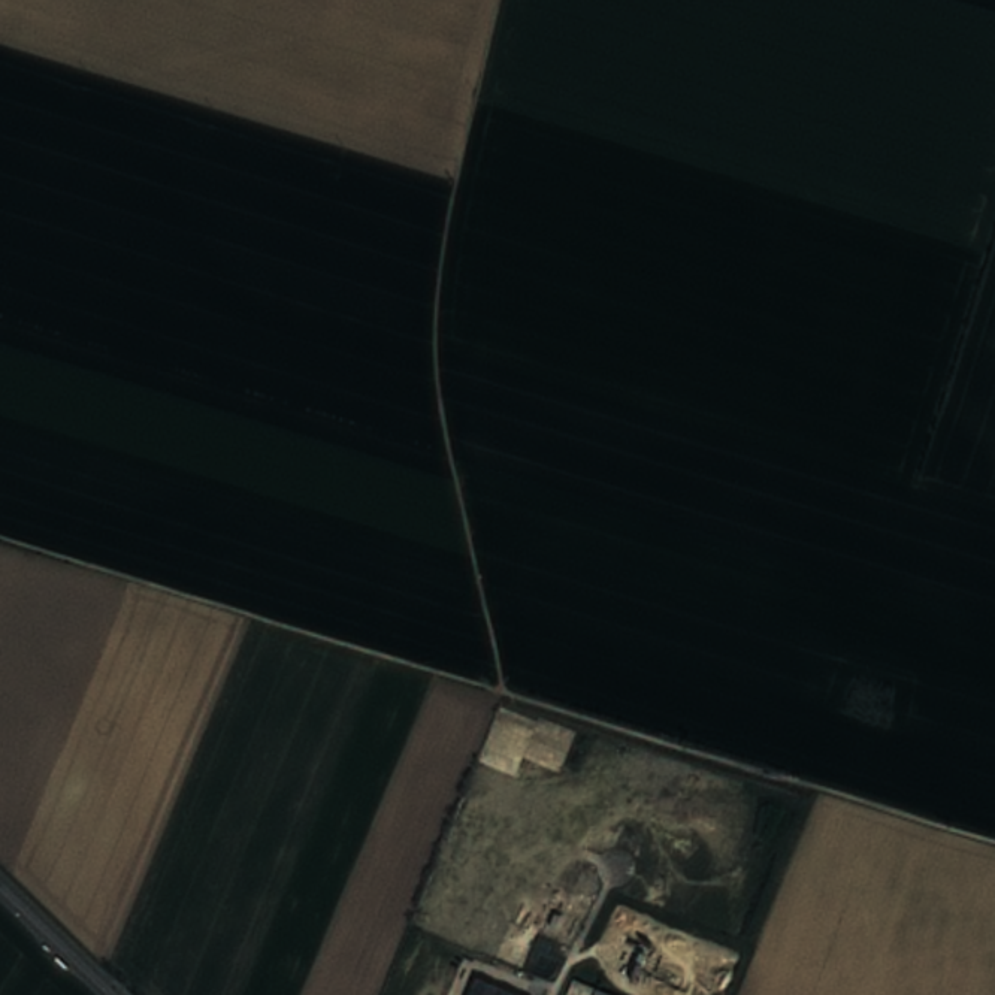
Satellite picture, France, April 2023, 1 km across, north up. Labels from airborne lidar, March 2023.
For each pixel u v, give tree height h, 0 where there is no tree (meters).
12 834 0
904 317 0
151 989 0
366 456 0
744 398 0
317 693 0
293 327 0
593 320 0
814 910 0
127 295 0
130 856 0
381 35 0
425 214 0
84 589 0
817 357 0
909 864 0
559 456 0
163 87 0
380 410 0
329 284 0
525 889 0
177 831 0
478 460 0
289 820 0
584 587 0
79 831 0
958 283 0
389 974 0
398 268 0
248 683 0
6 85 0
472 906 0
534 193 0
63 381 0
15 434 0
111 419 0
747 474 0
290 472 0
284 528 0
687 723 0
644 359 0
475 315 0
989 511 0
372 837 0
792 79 0
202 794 0
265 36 0
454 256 0
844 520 0
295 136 0
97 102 0
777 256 0
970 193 0
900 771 0
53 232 0
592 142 0
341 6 0
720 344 0
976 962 0
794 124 0
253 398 0
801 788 0
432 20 0
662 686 0
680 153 0
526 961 0
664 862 0
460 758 0
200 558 0
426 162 0
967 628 0
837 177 0
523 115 0
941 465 0
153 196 0
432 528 0
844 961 0
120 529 0
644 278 0
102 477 0
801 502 0
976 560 0
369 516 0
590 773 0
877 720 7
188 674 0
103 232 0
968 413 0
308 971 0
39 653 0
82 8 0
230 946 0
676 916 0
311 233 0
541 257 0
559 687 0
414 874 0
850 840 0
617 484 0
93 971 0
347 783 0
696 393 0
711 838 0
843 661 0
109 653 0
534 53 0
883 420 0
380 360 0
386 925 0
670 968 0
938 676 0
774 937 0
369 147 0
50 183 0
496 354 0
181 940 0
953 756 0
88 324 0
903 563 0
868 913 0
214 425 0
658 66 0
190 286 0
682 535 0
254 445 0
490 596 0
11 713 0
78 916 0
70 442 0
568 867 0
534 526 0
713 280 0
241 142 0
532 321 0
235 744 0
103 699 0
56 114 0
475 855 0
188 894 0
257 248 0
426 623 0
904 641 0
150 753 0
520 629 0
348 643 0
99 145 0
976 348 0
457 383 0
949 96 0
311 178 0
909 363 0
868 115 0
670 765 0
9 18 0
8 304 0
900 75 0
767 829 0
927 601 0
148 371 0
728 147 0
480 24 0
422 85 0
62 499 0
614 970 0
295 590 0
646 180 0
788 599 0
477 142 0
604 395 0
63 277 0
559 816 0
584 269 0
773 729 0
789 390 0
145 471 0
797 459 0
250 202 0
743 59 0
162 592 0
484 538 0
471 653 0
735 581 0
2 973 0
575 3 0
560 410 0
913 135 0
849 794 0
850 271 0
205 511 0
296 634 0
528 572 0
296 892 0
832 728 0
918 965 0
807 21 0
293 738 0
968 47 0
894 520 0
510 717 0
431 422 0
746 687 0
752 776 0
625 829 0
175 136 0
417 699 0
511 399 0
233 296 0
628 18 0
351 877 0
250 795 0
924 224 0
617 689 0
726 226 0
